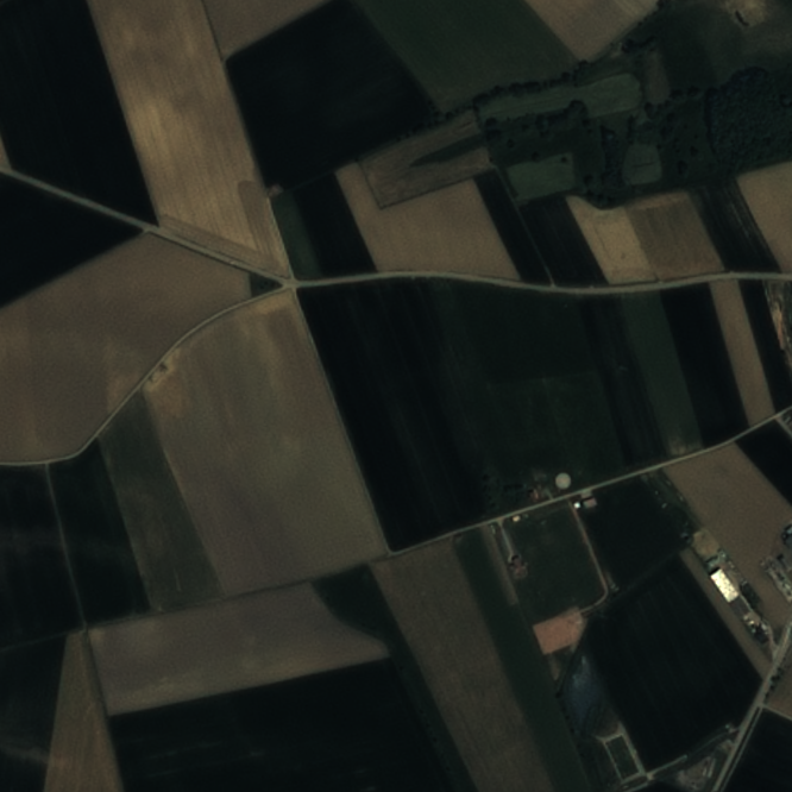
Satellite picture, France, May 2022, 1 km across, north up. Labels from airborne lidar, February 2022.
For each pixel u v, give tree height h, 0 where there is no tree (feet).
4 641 0
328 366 0
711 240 0
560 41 0
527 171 0
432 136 0
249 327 0
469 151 0
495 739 0
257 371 0
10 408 0
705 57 0
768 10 0
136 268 0
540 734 0
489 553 0
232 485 0
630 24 0
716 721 0
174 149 0
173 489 0
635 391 0
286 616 0
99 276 0
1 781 0
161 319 0
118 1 0
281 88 0
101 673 0
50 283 0
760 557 0
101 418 0
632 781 0
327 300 0
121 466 0
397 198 0
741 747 0
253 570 0
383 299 0
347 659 0
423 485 0
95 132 0
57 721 0
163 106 0
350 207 0
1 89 0
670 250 0
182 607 0
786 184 0
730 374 0
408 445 0
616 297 0
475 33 0
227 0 0
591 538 0
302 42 0
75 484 0
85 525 0
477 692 0
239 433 0
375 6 0
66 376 0
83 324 0
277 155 0
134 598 0
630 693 0
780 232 0
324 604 0
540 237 0
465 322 0
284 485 0
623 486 0
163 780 0
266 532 0
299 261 0
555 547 0
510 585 0
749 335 0
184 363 0
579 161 0
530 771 0
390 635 0
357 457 0
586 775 0
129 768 0
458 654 0
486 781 0
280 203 0
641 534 0
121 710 0
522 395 0
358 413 0
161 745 0
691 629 0
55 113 0
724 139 71
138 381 0
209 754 0
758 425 0
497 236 0
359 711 0
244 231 0
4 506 0
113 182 0
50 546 0
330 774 0
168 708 0
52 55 0
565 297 0
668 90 0
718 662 0
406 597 0
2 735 0
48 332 0
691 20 0
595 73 0
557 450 0
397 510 0
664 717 0
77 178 0
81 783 0
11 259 0
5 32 0
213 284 0
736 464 0
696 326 0
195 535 0
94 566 0
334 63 0
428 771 0
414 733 0
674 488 0
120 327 0
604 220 0
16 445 0
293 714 0
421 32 0
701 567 0
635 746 0
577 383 0
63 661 0
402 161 0
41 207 0
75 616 0
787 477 0
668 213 0
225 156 0
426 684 0
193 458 0
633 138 34
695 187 0
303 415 0
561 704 0
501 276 0
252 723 0
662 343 0
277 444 0
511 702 0
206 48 0
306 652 0
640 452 0
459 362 0
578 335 0
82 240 0
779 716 0
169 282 0
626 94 0
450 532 0
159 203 0
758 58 0
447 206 0
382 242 0
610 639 0
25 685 0
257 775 0
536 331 0
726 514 0
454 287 0
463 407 0
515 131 0
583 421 0
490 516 0
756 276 0
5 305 0
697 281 0
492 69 0
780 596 0
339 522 0
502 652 0
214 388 0
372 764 0
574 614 0
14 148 0
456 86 0
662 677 0
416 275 0
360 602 0
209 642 0
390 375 0
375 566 0
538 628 0
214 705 0
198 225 0
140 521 0
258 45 0
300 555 0
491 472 0
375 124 0
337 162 0
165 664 0
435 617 0
